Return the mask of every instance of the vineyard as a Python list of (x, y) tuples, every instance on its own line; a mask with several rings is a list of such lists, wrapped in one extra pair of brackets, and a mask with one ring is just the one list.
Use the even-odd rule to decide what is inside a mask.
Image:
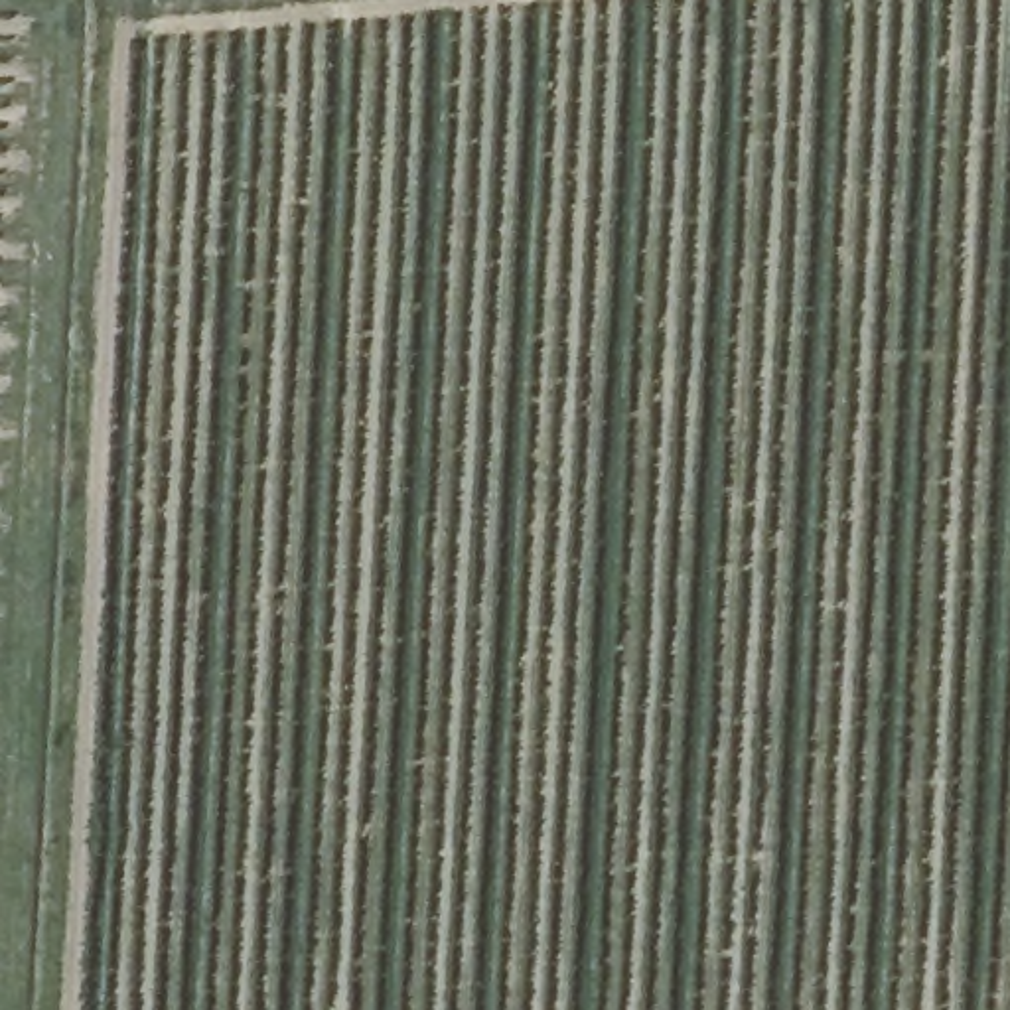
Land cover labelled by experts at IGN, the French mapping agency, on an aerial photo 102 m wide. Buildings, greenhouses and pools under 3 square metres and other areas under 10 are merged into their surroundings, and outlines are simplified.
[(264, 12), (114, 20), (110, 63), (83, 63), (83, 118), (71, 118), (71, 107), (51, 110), (51, 63), (12, 63), (12, 39), (28, 36), (28, 20), (0, 20), (0, 1010), (1010, 1010), (1010, 0), (316, 0)]

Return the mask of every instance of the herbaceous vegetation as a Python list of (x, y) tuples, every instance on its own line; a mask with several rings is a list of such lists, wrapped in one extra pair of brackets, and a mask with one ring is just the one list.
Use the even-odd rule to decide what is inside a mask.
[(51, 63), (51, 110), (71, 107), (71, 118), (83, 118), (83, 63), (110, 63), (114, 20), (264, 12), (316, 0), (0, 0), (0, 20), (28, 20), (28, 36), (12, 39), (12, 63)]

